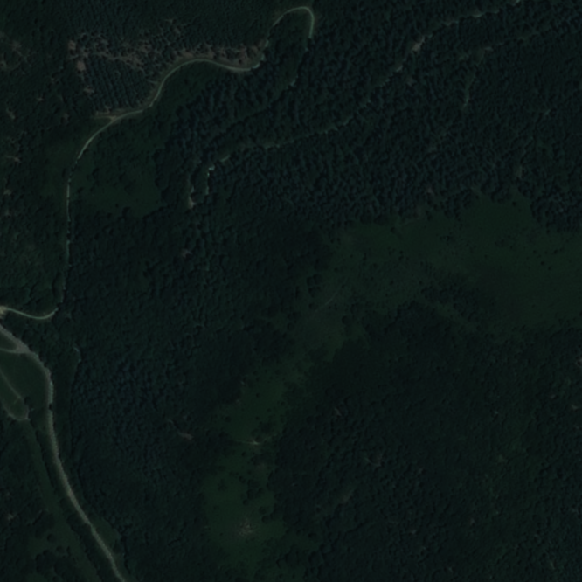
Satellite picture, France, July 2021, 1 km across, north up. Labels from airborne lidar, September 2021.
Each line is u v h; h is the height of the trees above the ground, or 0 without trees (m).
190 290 19
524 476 23
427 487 22
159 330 19
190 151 29
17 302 15
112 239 22
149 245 24
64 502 13
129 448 21
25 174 29
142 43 18
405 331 12
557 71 7
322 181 20
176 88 7
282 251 21
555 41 12
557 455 24
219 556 7
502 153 10
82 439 30
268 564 11
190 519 22
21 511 24
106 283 23
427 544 21
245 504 10
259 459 13
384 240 0
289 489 21
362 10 21
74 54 23
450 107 17
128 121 12
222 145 19
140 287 11
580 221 19
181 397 16
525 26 14
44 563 14
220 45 20
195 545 25
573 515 18
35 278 17
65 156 0
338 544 26
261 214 22
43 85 22
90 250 21
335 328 0
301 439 20
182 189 19
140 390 16
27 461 21
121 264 21
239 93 19
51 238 24
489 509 15
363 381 10
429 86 10
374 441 20
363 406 19
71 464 19
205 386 25
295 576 6
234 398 12
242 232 26
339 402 17
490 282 0
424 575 23
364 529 23
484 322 6
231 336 24
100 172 20
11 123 17
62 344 9
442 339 16
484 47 10
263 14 22
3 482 24
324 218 21
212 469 7
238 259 23
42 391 0
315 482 16
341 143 17
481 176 26
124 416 23
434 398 17
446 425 18
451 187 25
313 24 0
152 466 23
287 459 22
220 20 21
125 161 13
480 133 30
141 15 15
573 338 20
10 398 0
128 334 20
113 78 23
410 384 17
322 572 25
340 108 10
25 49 9
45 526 18
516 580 24
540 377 8
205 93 20
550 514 22
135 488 28
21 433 20
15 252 10
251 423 0
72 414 18
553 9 32
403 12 16
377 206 36
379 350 7
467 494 22
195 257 26
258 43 19
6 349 0
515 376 16
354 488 24
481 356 15
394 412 19
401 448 17
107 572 20
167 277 17
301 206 24
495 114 10
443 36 15
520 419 16
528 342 7
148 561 25
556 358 17
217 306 16
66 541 0
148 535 22
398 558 21
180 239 21
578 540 19
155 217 19
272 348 12
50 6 22
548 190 9
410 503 20
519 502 18
